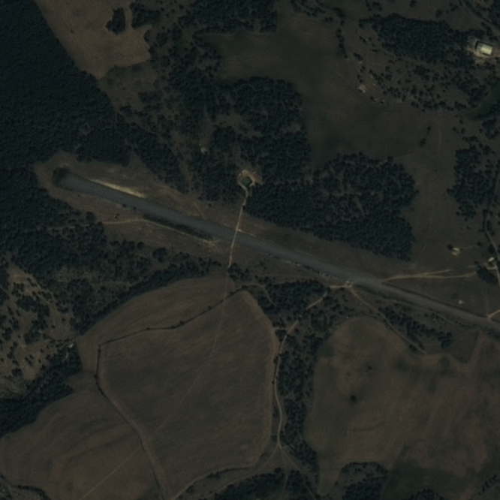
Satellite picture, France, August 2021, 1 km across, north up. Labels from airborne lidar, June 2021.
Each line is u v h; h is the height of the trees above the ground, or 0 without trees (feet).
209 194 25
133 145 31
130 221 0
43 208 45
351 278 0
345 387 0
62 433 0
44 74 55
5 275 30
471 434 0
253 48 0
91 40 0
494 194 36
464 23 0
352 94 0
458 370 0
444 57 34
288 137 39
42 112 35
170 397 0
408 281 0
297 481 24
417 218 0
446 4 0
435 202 0
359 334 0
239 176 0
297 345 21
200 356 0
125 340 0
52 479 0
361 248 34
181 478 0
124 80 0
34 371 0
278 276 0
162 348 0
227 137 31
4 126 45
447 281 0
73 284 20
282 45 0
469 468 0
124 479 0
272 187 48
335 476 0
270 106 32
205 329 0
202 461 0
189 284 0
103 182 0
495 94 0
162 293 0
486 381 0
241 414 0
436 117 0
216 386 0
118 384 0
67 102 52
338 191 25
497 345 0
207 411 0
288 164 42
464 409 0
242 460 0
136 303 0
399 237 45
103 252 18
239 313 0
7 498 18
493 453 0
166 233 0
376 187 27
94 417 0
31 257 33
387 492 0
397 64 0
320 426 0
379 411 0
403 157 0
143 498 0
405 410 0
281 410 0
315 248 0
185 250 0
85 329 36
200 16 38
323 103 0
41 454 0
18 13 63
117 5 0
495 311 0
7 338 21
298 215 29
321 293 35
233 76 0
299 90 0
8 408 49
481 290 0
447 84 22
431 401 0
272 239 0
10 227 27
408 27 29
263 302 19
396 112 0
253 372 0
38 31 52
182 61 27
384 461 0
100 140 49
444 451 0
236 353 0
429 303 0
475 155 36
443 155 0
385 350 0
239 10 20
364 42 31
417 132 0
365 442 0
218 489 0
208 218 0
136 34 0
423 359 0
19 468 0
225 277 0
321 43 0
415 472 0
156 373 0
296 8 38
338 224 27
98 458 0
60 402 0
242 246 0
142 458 0
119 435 0
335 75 0
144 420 0
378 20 36
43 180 0
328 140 0
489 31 49
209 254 0
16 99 52
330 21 29
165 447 0
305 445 23
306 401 0
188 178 0
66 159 0
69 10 0
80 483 0
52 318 0
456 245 0
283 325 27
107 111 32
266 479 22
